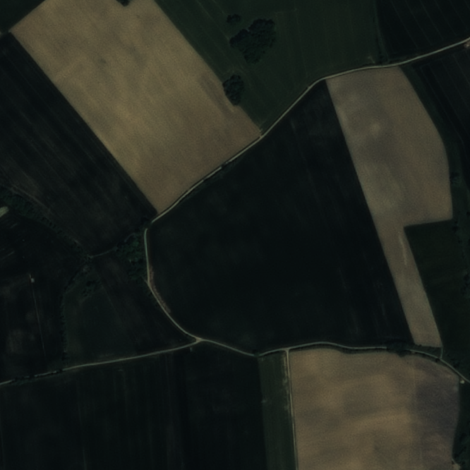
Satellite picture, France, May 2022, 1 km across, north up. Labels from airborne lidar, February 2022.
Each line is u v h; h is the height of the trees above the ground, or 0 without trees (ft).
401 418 0
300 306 0
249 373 0
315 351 0
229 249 0
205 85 0
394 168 0
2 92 0
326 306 0
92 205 0
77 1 0
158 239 0
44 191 0
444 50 0
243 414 0
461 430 0
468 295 41
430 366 0
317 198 0
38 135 0
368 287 0
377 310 0
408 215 0
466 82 0
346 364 0
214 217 0
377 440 0
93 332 0
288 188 0
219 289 0
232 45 43
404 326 0
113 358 0
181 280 0
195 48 0
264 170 0
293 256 0
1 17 0
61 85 0
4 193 50
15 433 0
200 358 0
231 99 17
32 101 0
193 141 0
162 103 0
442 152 0
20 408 0
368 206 0
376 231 0
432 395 0
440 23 0
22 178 0
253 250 0
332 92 0
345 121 0
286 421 0
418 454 0
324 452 0
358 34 0
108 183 0
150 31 0
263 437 0
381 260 0
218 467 0
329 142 0
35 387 0
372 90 0
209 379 0
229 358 0
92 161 0
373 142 0
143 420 0
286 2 0
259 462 0
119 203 0
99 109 0
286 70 0
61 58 0
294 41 0
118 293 0
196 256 0
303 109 0
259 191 0
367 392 0
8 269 0
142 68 0
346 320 0
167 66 0
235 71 0
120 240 0
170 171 0
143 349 0
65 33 0
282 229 0
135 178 0
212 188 0
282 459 0
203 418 0
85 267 47
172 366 0
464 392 0
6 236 0
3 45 0
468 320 0
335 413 0
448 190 0
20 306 0
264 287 0
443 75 0
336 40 0
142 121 0
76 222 0
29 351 0
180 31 0
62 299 23
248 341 0
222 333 0
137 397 0
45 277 0
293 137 0
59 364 0
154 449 0
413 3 0
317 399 0
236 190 0
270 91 0
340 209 0
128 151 0
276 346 0
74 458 0
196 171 0
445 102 0
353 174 0
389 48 0
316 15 0
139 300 0
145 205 0
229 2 0
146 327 0
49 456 0
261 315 0
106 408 0
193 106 0
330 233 0
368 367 0
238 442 0
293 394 0
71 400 0
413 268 0
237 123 0
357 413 0
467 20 0
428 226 0
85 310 0
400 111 0
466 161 0
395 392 0
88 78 0
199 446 0
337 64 0
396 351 25
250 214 0
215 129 0
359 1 0
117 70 0
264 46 50
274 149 0
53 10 0
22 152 0
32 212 51
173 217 0
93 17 0
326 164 0
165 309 0
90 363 0
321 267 0
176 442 0
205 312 0
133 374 0
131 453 0
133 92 0
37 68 0
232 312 0
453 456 0
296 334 0
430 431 0
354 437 0
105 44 0
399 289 0
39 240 0
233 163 19
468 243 0
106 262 0
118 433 0
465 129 0
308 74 0
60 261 0
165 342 0
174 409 0
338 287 0
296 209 0
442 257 0
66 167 0
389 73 0
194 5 0
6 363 0
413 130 0
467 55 0
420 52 0
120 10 0
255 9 0
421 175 0
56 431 0
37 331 0
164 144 0
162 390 0
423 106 0
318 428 0
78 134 0
